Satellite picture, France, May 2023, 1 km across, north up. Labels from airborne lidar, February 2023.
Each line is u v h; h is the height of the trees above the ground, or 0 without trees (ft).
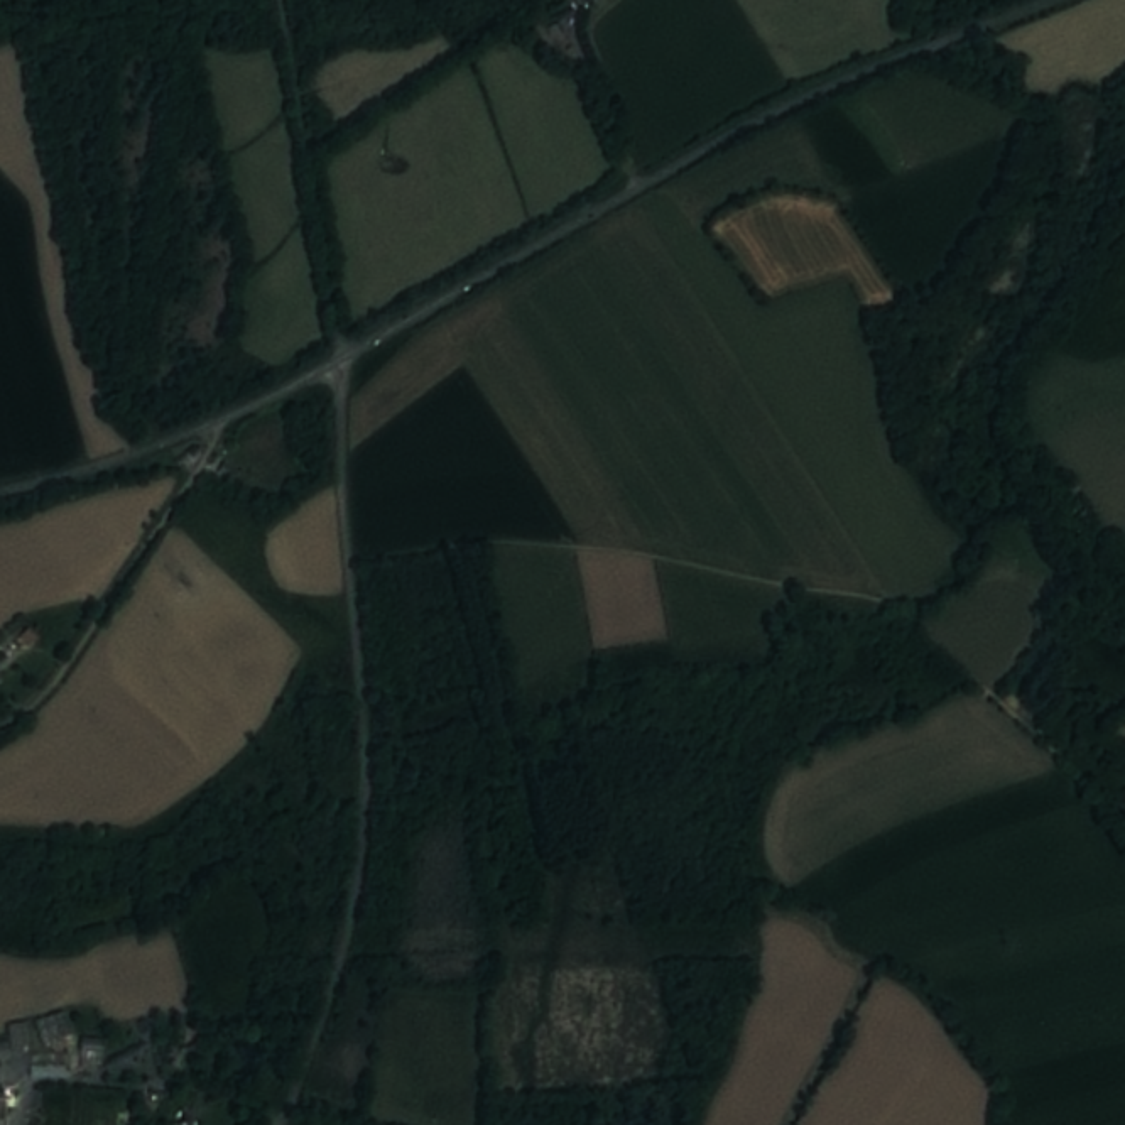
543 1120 46
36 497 21
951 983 0
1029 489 60
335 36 33
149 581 0
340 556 0
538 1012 0
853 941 0
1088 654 0
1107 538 53
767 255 0
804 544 0
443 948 0
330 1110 49
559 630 0
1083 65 0
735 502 0
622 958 0
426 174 0
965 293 76
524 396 0
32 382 0
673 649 0
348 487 0
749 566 0
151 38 60
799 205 0
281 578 0
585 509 0
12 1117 0
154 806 0
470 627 73
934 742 0
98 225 52
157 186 54
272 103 0
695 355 0
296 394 0
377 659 33
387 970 24
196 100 60
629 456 0
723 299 0
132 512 0
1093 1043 0
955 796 0
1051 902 0
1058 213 31
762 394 0
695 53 0
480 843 49
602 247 0
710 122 0
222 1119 0
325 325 45
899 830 0
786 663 51
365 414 0
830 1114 0
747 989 55
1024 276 0
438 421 0
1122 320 0
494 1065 46
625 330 0
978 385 23
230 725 0
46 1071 0
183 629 0
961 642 0
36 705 0
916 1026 0
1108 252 43
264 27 29
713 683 28
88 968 0
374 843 51
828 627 20
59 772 0
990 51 23
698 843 35
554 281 0
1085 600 59
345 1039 0
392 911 50
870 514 0
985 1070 70
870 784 0
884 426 47
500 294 0
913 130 0
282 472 0
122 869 30
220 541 0
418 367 0
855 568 0
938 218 0
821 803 0
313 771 19
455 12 25
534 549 0
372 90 0
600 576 0
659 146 0
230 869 59
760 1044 0
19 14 22
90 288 60
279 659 0
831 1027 0
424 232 0
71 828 30
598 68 45
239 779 0
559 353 0
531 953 0
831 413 0
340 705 55
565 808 117
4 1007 0
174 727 0
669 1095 51
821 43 0
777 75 0
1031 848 0
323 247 50
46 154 58
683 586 0
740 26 0
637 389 0
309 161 50
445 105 0
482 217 0
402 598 49
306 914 53
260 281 0
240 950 0
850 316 0
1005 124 0
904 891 0
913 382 69
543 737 25
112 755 0
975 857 0
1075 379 0
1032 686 69
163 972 0
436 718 0
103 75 58
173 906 54
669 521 0
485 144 0
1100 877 0
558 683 0
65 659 41
